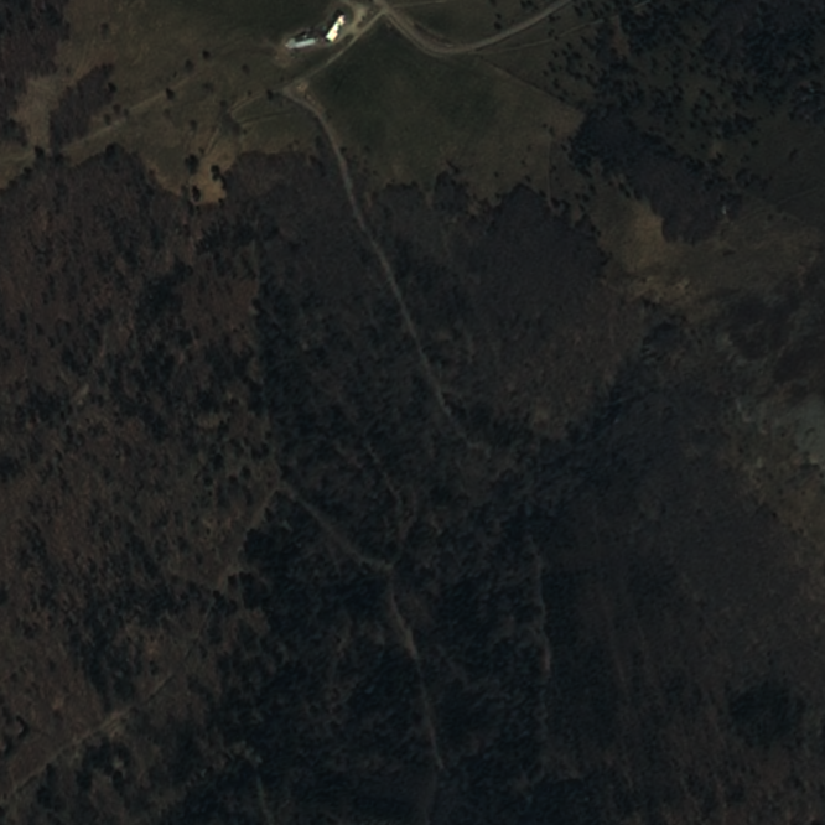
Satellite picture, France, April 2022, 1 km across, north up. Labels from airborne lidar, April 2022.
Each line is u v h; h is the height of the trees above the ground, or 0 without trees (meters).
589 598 15
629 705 14
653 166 9
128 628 21
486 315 15
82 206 17
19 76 12
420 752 15
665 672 14
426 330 13
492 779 29
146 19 0
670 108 8
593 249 8
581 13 9
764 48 8
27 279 15
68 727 20
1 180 0
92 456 16
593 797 20
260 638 14
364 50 0
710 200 8
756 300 0
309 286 26
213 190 0
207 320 16
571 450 14
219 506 11
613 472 16
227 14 0
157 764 22
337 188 18
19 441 15
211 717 20
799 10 10
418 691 24
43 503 20
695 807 18
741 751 17
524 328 13
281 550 14
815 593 12
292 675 19
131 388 17
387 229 14
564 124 0
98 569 24
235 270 13
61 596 22
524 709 7
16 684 29
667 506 15
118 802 21
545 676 24
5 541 20
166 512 19
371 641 11
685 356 6
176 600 20
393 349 21
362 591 24
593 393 15
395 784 15
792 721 18
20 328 14
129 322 21
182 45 0
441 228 10
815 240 0
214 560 11
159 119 0
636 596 17
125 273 19
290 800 12
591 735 18
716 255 0
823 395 0
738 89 7
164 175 0
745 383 0
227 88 0
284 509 16
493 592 9
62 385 13
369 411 29
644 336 11
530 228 11
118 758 14
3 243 23
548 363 14
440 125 0
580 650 17
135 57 0
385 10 0
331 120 0
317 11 0
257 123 0
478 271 13
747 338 0
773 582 14
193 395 23
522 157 0
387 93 0
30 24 12
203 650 23
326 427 21
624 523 17
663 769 17
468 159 0
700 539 18
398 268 15
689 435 13
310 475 26
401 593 18
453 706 20
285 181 21
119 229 18
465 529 28
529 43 0
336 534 17
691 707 17
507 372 15
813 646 15
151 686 16
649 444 16
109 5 0
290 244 15
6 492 16
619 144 9
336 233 25
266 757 10
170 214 17
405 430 18
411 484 24
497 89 0
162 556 25
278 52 0
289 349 24
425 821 13
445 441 20
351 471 27
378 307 19
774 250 0
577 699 19
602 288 8
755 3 11
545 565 16
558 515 9
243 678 16
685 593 14
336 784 18
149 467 21
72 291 16
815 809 22
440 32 0
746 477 7
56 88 0
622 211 0
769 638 15
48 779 17
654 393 17
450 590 17
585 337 13
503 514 29
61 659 19
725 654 15
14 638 17
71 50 0
